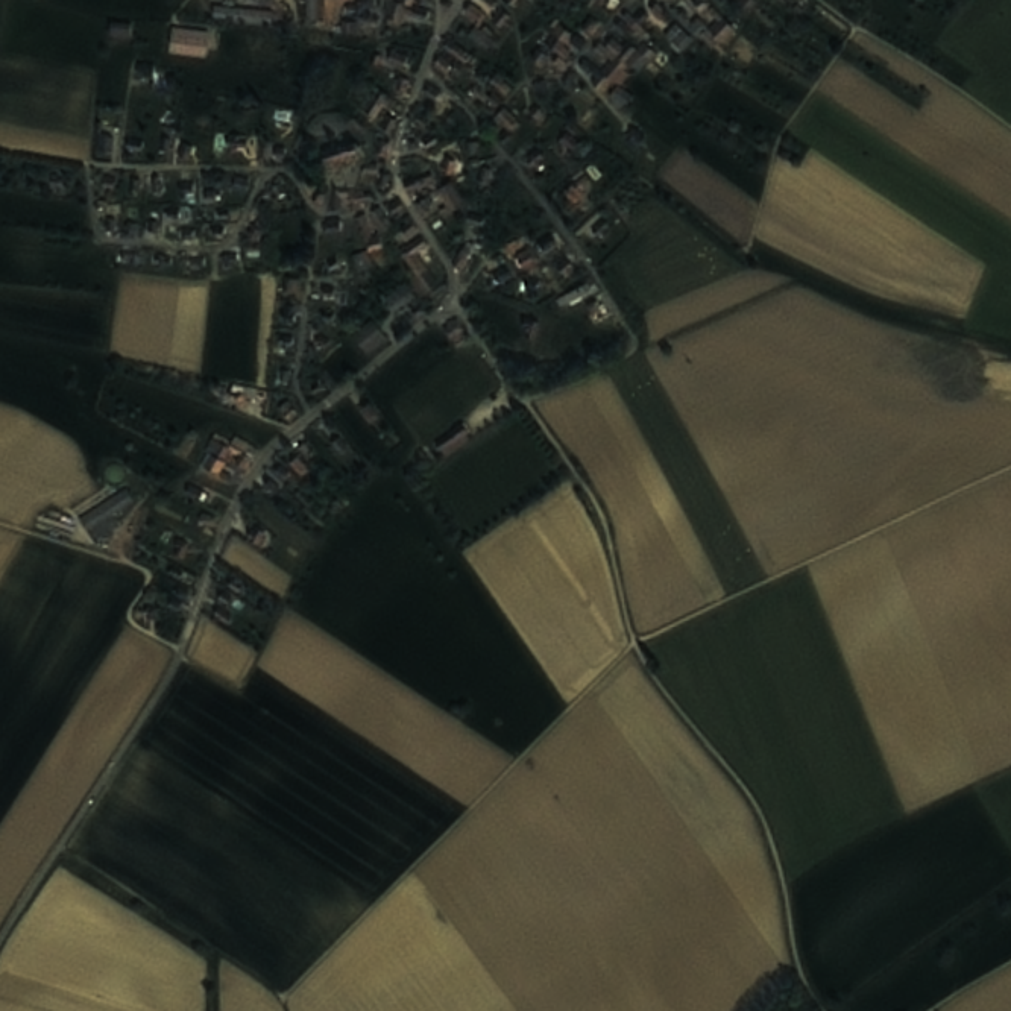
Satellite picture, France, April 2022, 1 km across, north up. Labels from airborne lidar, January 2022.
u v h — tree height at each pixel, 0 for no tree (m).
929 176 0
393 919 0
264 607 12
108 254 0
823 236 0
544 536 0
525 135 0
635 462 0
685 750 0
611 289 9
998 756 0
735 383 0
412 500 0
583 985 0
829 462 0
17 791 0
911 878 0
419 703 0
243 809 0
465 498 0
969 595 0
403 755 0
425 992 0
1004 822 0
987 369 0
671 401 0
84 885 0
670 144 0
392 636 0
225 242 0
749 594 0
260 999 0
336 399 0
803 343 0
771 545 0
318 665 0
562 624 0
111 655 0
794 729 0
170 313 0
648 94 0
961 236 0
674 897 0
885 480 0
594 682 0
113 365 13
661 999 0
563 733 0
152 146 0
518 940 0
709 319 0
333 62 20
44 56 0
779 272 0
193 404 0
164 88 12
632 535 0
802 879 0
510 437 0
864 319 0
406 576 0
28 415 0
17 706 0
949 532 0
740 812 0
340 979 0
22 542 0
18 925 0
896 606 0
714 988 0
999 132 0
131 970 0
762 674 0
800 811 0
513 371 21
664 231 0
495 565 0
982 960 0
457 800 0
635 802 0
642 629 0
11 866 0
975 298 0
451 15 0
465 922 0
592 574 0
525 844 0
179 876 0
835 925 0
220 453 0
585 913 0
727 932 0
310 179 9
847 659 0
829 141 0
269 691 0
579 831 0
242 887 0
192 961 0
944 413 0
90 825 0
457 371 0
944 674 0
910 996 0
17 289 0
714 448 0
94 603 0
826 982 0
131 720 0
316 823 0
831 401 0
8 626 0
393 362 0
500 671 0
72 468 0
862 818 0
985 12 0
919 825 0
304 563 0
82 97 0
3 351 0
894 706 0
